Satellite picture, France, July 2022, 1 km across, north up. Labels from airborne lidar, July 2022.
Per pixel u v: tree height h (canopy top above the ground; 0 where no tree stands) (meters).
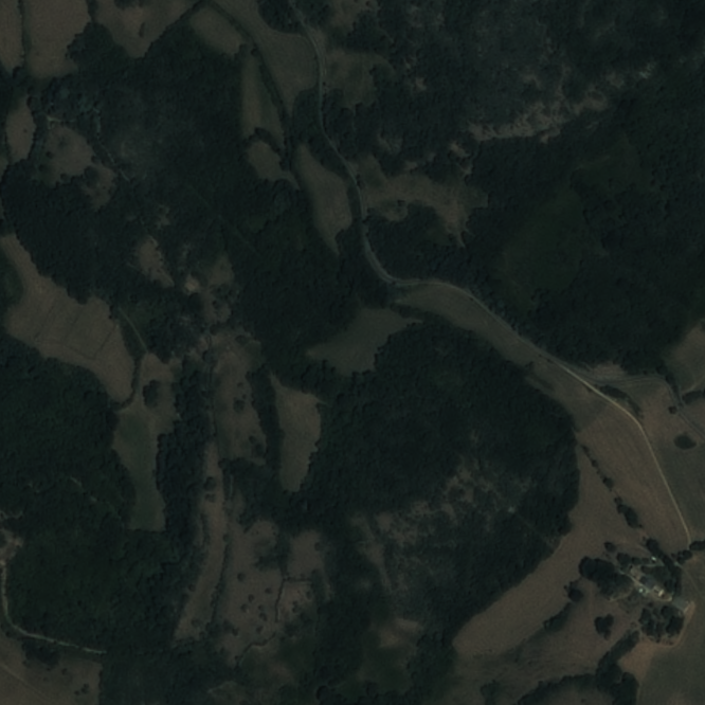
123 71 9
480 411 12
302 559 0
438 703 0
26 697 0
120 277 10
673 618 13
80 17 0
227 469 7
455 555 8
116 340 0
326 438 6
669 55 9
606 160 0
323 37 0
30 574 6
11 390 18
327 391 21
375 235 7
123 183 10
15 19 0
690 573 0
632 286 12
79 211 11
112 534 16
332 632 8
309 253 9
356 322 0
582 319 6
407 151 10
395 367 14
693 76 6
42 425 10
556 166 9
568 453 14
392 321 0
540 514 12
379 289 11
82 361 0
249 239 11
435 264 19
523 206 8
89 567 8
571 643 0
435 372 8
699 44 8
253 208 11
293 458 0
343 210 0
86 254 8
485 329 0
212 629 7
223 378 0
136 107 6
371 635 0
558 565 0
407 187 0
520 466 10
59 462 12
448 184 0
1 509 9
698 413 0
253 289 15
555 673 0
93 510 19
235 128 18
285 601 0
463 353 8
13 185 19
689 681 0
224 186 12
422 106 9
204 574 0
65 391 8
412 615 7
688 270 9
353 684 0
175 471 20
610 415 0
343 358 0
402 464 6
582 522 0
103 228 9
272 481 11
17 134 0
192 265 9
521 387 13
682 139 7
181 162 8
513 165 8
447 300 0
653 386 0
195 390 9
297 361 11
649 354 14
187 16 7
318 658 7
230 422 0
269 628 0
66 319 0
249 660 0
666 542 0
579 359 11
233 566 0
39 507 10
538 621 0
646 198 9
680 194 12
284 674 0
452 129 6
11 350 10
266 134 17
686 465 0
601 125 8
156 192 7
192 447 6
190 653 10
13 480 9
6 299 11
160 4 0
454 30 11
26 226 14
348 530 9
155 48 11
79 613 6
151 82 9
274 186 17
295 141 16
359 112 12
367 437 11
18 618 6
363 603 10
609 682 13
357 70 0
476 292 23
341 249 8
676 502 0
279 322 16
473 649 0
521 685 0
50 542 8
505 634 0
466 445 8
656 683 0
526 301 0
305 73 0
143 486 0
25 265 0
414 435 8
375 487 9
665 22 6
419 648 7
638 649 0
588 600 0
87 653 6
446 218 0
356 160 6
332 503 8
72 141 0
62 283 13
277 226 10
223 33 0
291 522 10
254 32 0
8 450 7
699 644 0
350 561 8
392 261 10
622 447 0
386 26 9
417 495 7
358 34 10
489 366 14
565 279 0
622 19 6
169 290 6
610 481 13
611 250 12
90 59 7
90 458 12
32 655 11
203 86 8
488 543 10
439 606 14
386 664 0
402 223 8
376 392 16
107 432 15
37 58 0
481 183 10
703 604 0
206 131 10
